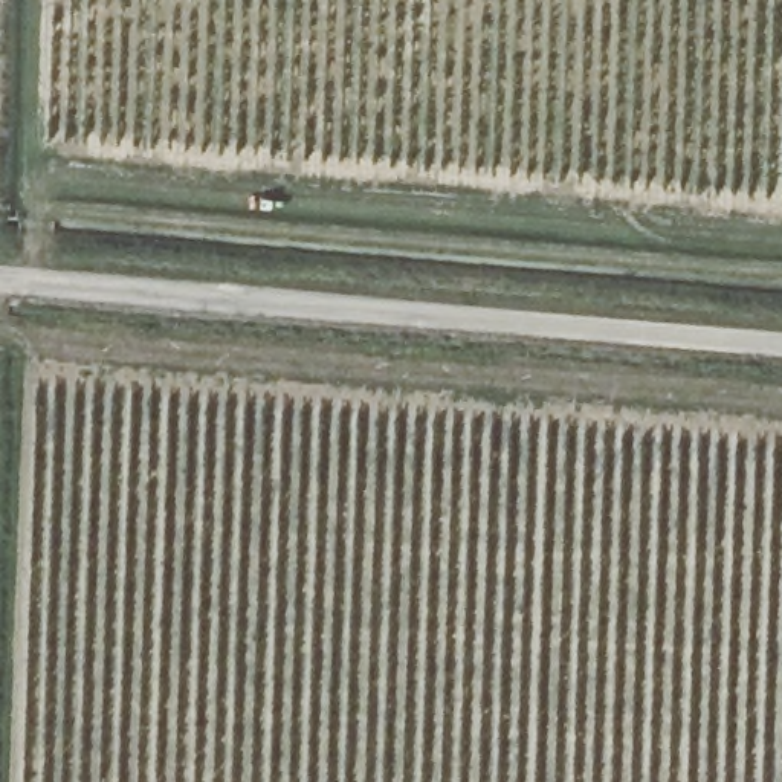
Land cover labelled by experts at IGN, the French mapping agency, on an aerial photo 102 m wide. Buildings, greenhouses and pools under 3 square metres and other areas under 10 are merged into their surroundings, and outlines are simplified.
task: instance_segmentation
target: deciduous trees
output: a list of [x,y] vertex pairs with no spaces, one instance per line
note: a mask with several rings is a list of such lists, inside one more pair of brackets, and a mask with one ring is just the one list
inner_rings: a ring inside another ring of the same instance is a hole
[[79,330],[82,324],[104,324],[150,339],[250,339],[257,345],[345,351],[406,364],[443,360],[504,367],[504,348],[495,339],[473,339],[473,333],[296,318],[223,318],[211,312],[144,312],[134,305],[58,302],[27,296],[21,305],[6,309],[9,321],[18,327],[34,324]]
[[782,312],[764,305],[730,305],[712,299],[675,299],[596,287],[516,284],[489,278],[434,278],[403,272],[388,275],[379,266],[257,266],[247,260],[229,260],[214,254],[153,254],[113,247],[70,250],[67,244],[55,244],[52,272],[278,287],[370,299],[782,333]]
[[782,357],[684,348],[669,364],[666,376],[782,385]]

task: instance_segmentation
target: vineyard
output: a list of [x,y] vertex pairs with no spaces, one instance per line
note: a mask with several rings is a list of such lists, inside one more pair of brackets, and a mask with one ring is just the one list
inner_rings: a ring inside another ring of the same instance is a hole
[[147,370],[113,370],[110,364],[27,364],[18,345],[0,351],[0,782],[782,782],[782,422],[715,412],[641,412],[583,403],[547,403],[544,391],[535,388],[504,391],[473,385],[470,400],[452,400],[452,394],[446,391],[385,394],[336,385],[247,382],[192,373],[159,376]]
[[24,86],[37,89],[40,147],[58,150],[61,156],[165,162],[177,168],[208,171],[278,171],[339,180],[455,183],[510,196],[544,192],[580,199],[623,199],[635,205],[693,208],[706,217],[745,211],[764,214],[770,223],[782,220],[782,0],[0,0],[0,266],[12,266],[24,250],[27,220],[27,208],[18,196]]

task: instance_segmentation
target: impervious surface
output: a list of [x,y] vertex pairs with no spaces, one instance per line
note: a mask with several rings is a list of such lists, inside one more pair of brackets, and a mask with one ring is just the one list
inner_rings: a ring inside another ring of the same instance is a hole
[[516,333],[547,339],[684,348],[782,357],[782,333],[370,299],[278,287],[52,272],[12,266],[0,266],[0,293],[27,296],[58,302],[134,305],[144,312],[211,312],[223,318],[296,318],[473,333]]

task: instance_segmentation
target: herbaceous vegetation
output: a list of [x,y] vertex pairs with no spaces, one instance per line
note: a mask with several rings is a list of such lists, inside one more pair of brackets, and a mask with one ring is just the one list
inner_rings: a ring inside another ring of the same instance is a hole
[[79,330],[34,324],[18,327],[9,321],[6,309],[21,305],[27,296],[0,293],[0,351],[18,345],[27,364],[110,364],[113,370],[147,370],[159,376],[192,373],[247,382],[336,385],[385,394],[446,391],[452,394],[452,400],[470,400],[473,385],[504,391],[535,388],[544,391],[547,403],[583,403],[641,412],[715,412],[782,422],[782,385],[666,376],[669,364],[684,348],[547,339],[516,333],[473,333],[473,339],[495,339],[504,348],[504,367],[443,360],[406,364],[345,351],[257,345],[250,339],[150,339],[104,324],[82,324]]
[[675,299],[712,299],[730,305],[764,305],[782,312],[782,220],[770,223],[764,214],[745,211],[706,217],[693,208],[635,205],[623,199],[580,199],[544,192],[510,196],[455,183],[339,180],[278,171],[208,171],[177,168],[165,162],[61,156],[58,150],[40,147],[37,89],[24,86],[18,196],[27,208],[27,220],[24,250],[12,266],[52,272],[55,244],[67,244],[70,250],[113,247],[153,254],[214,254],[229,260],[247,260],[257,266],[379,266],[388,275],[403,272],[434,278],[489,278],[516,284],[596,287]]

